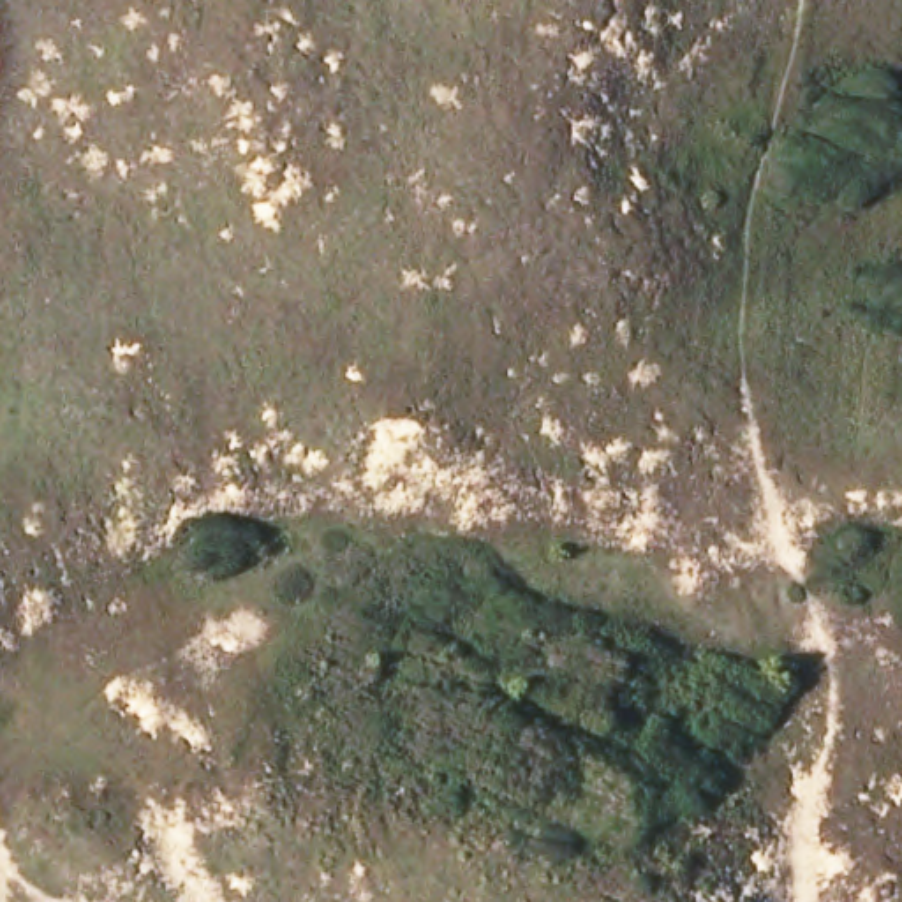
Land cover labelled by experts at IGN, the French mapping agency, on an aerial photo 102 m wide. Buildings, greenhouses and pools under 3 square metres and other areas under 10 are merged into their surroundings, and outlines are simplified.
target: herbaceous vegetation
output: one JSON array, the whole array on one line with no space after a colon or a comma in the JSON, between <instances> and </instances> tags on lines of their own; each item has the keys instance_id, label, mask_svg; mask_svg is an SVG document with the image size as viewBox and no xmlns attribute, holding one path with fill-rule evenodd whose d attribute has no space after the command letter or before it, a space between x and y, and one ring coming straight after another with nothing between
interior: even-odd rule
<instances>
[{"instance_id":1,"label":"herbaceous vegetation","mask_svg":"<svg viewBox=\"0 0 902 902\"><path fill-rule=\"evenodd\" d=\"M610 462L610 490L655 486L659 518L684 521L680 536L687 550L726 546L729 532L750 539L754 529L758 479L743 440L740 381L747 381L754 391L761 447L772 479L786 500L814 500L817 521L846 521L853 514L849 490L902 490L902 335L874 331L860 321L860 314L849 310L853 299L860 299L860 285L846 271L863 268L867 261L902 257L902 190L874 208L860 201L853 211L839 208L839 201L814 201L810 208L782 204L789 176L782 169L786 144L779 137L793 137L800 130L800 102L807 95L803 74L810 67L832 63L835 53L902 67L902 0L729 0L719 11L719 18L729 28L715 35L708 60L694 63L691 70L680 70L680 63L662 67L659 74L666 88L652 88L638 78L638 70L631 70L613 53L585 67L581 85L571 81L574 53L581 49L574 46L571 32L581 28L581 21L588 21L585 0L18 0L11 7L18 32L14 70L21 70L25 78L46 74L49 92L39 102L18 99L11 106L11 120L0 120L0 832L14 867L35 888L60 898L60 867L70 863L81 874L102 874L130 853L144 853L148 839L141 832L144 800L159 800L162 807L183 803L190 824L201 817L201 807L215 800L215 793L236 800L243 796L243 782L261 782L261 789L268 793L268 810L261 817L247 814L240 828L222 828L194 839L194 849L208 877L215 881L218 874L250 877L250 902L772 902L768 895L747 898L743 881L754 870L754 853L768 842L779 842L782 832L782 821L796 800L793 768L810 772L814 754L824 740L828 698L821 687L800 701L793 719L786 719L782 733L768 743L765 754L754 754L747 761L740 789L733 789L719 803L715 814L705 817L705 810L698 807L694 814L677 814L680 828L652 849L638 839L641 821L631 803L631 779L624 772L613 772L599 758L585 758L581 765L585 793L578 803L571 803L567 796L553 796L553 803L546 807L539 800L539 786L553 768L546 729L521 726L514 715L486 712L479 698L479 691L486 687L483 673L458 655L458 648L416 634L398 662L398 673L388 680L377 673L384 627L359 620L345 606L335 606L328 613L324 592L349 585L356 560L363 560L366 546L373 546L377 553L398 553L405 536L416 536L419 529L419 521L409 511L377 511L352 525L342 525L335 511L314 507L278 525L282 553L261 560L257 567L229 581L215 581L208 571L197 571L194 546L180 543L176 536L152 560L141 560L141 553L134 550L116 557L106 539L106 525L116 521L116 479L130 479L144 493L166 490L176 476L197 479L211 469L215 455L226 455L229 433L240 433L240 444L250 451L264 440L261 409L275 409L282 430L289 430L303 447L321 451L324 462L338 451L338 444L356 437L356 430L373 426L381 419L412 419L419 426L437 423L455 451L483 455L483 479L490 483L490 490L504 497L504 504L511 504L507 521L472 525L469 532L490 543L532 588L546 595L634 613L655 627L666 627L687 645L698 634L708 634L715 645L729 645L758 662L779 662L782 655L800 648L807 634L807 599L824 603L828 631L835 638L839 655L842 701L839 740L832 750L824 793L828 814L821 817L817 832L832 853L849 856L849 870L835 874L828 888L817 891L817 902L902 902L902 627L891 613L867 613L863 606L842 606L839 599L832 599L832 578L810 560L803 560L800 581L782 564L775 564L761 560L754 567L719 571L715 578L701 581L691 595L680 595L677 574L669 567L673 553L659 550L652 539L645 550L585 543L585 490L592 490L595 483L585 465L585 451L592 444L603 447L610 440L624 440L627 451L617 462ZM226 120L233 106L211 92L211 78L226 78L240 92L240 99L250 102L250 130L240 130ZM81 99L88 106L81 137L67 137L60 130L60 116L53 109L56 99ZM278 155L278 166L296 166L310 183L299 197L285 201L285 208L278 211L278 229L268 229L254 211L254 194L243 190L243 176L250 162L264 159L264 141L278 141L282 123L289 123L292 134L285 152ZM21 599L35 588L49 595L49 620L25 634ZM180 648L190 638L197 638L208 620L229 620L243 610L264 620L261 641L243 652L222 648L215 684L201 687L197 666L183 662ZM180 712L187 712L187 719L194 719L204 729L204 747L194 747L162 726L141 729L141 719L123 701L106 698L106 684L116 677L152 684L152 701L169 701Z\"/></svg>"}]
</instances>

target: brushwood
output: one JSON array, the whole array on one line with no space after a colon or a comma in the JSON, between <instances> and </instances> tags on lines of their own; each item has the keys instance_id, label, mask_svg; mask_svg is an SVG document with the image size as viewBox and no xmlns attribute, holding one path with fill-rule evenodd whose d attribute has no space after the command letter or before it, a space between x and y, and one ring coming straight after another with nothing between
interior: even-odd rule
<instances>
[{"instance_id":1,"label":"brushwood","mask_svg":"<svg viewBox=\"0 0 902 902\"><path fill-rule=\"evenodd\" d=\"M638 839L652 849L680 828L677 814L694 814L698 807L705 810L705 817L715 814L719 803L733 789L740 789L747 761L754 754L765 754L768 743L782 733L786 719L793 719L800 701L821 687L824 655L800 648L782 655L779 662L758 662L729 645L715 645L708 634L698 634L687 645L666 627L655 627L634 613L546 595L532 588L490 543L469 532L458 529L455 536L430 536L419 529L416 536L405 536L398 553L377 553L373 546L366 546L363 560L356 560L349 585L324 592L328 613L335 606L345 606L359 620L384 627L377 673L388 680L398 673L398 662L416 634L458 648L458 655L483 673L486 687L479 691L479 698L486 712L514 715L521 726L546 729L553 768L539 786L539 800L546 807L553 803L553 796L567 796L571 803L578 803L585 793L581 765L585 758L599 758L613 772L624 772L631 779L631 803L641 821Z\"/></svg>"},{"instance_id":2,"label":"brushwood","mask_svg":"<svg viewBox=\"0 0 902 902\"><path fill-rule=\"evenodd\" d=\"M800 102L800 130L793 137L779 137L786 144L782 169L789 176L782 204L810 208L814 201L839 201L839 208L853 211L860 201L874 208L902 190L902 67L835 53L832 63L810 67L803 74L807 95Z\"/></svg>"},{"instance_id":3,"label":"brushwood","mask_svg":"<svg viewBox=\"0 0 902 902\"><path fill-rule=\"evenodd\" d=\"M250 514L215 511L187 518L176 529L176 536L180 543L194 546L197 571L208 571L215 581L229 581L257 567L261 560L282 553L278 525Z\"/></svg>"},{"instance_id":4,"label":"brushwood","mask_svg":"<svg viewBox=\"0 0 902 902\"><path fill-rule=\"evenodd\" d=\"M902 529L874 525L863 514L853 514L846 521L817 521L814 543L803 553L803 560L810 560L832 578L832 599L839 599L842 606L863 606L867 613L891 613L902 627Z\"/></svg>"},{"instance_id":5,"label":"brushwood","mask_svg":"<svg viewBox=\"0 0 902 902\"><path fill-rule=\"evenodd\" d=\"M860 285L860 299L853 299L849 310L860 314L860 321L874 331L902 335L902 257L867 261L863 268L846 271Z\"/></svg>"}]
</instances>

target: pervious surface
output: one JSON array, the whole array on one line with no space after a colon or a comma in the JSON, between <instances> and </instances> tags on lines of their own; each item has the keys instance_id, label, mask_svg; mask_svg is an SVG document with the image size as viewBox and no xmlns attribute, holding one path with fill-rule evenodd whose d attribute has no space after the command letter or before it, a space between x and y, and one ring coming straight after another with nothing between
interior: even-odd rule
<instances>
[{"instance_id":1,"label":"pervious surface","mask_svg":"<svg viewBox=\"0 0 902 902\"><path fill-rule=\"evenodd\" d=\"M796 800L782 821L782 832L793 839L793 902L817 902L817 891L828 888L835 874L849 870L849 856L832 853L817 832L821 817L828 814L824 793L832 750L839 740L842 701L839 655L835 638L828 631L824 603L807 599L807 634L800 648L824 655L821 687L828 698L824 740L814 754L810 772L793 768Z\"/></svg>"},{"instance_id":2,"label":"pervious surface","mask_svg":"<svg viewBox=\"0 0 902 902\"><path fill-rule=\"evenodd\" d=\"M740 381L743 440L758 479L754 529L772 539L775 564L782 564L800 581L803 560L803 553L793 543L793 518L782 514L786 500L772 479L761 447L754 391L747 381Z\"/></svg>"},{"instance_id":3,"label":"pervious surface","mask_svg":"<svg viewBox=\"0 0 902 902\"><path fill-rule=\"evenodd\" d=\"M35 888L14 867L0 832L0 902L88 902L60 898Z\"/></svg>"},{"instance_id":4,"label":"pervious surface","mask_svg":"<svg viewBox=\"0 0 902 902\"><path fill-rule=\"evenodd\" d=\"M155 839L166 853L166 881L169 888L176 888L180 902L222 902L215 881L208 877L194 849L194 839L190 824L183 803L162 807L159 800L144 800L141 832L148 839Z\"/></svg>"}]
</instances>

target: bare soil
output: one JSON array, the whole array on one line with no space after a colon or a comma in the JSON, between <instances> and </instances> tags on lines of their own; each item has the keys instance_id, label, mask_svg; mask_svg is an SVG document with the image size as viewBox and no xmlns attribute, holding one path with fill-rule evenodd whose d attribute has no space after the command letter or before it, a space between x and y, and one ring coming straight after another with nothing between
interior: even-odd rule
<instances>
[{"instance_id":1,"label":"bare soil","mask_svg":"<svg viewBox=\"0 0 902 902\"><path fill-rule=\"evenodd\" d=\"M39 102L49 92L46 74L25 78L21 70L14 70L18 32L11 7L18 0L0 0L0 120L11 120L11 106L18 99Z\"/></svg>"},{"instance_id":2,"label":"bare soil","mask_svg":"<svg viewBox=\"0 0 902 902\"><path fill-rule=\"evenodd\" d=\"M240 828L247 814L261 817L268 810L268 793L261 789L261 782L243 782L243 796L236 800L215 793L215 800L201 807L201 817L190 824L194 839L222 828Z\"/></svg>"},{"instance_id":3,"label":"bare soil","mask_svg":"<svg viewBox=\"0 0 902 902\"><path fill-rule=\"evenodd\" d=\"M902 529L902 490L849 490L853 514L863 514L874 525Z\"/></svg>"},{"instance_id":4,"label":"bare soil","mask_svg":"<svg viewBox=\"0 0 902 902\"><path fill-rule=\"evenodd\" d=\"M148 839L144 853L130 853L102 874L81 874L70 863L60 867L60 898L88 902L180 902L176 888L169 888L166 881L166 853L155 839Z\"/></svg>"},{"instance_id":5,"label":"bare soil","mask_svg":"<svg viewBox=\"0 0 902 902\"><path fill-rule=\"evenodd\" d=\"M194 747L204 747L204 729L194 719L187 719L187 712L180 712L169 701L152 701L152 684L116 677L106 684L106 698L123 701L141 719L141 729L162 726Z\"/></svg>"},{"instance_id":6,"label":"bare soil","mask_svg":"<svg viewBox=\"0 0 902 902\"><path fill-rule=\"evenodd\" d=\"M278 155L285 152L292 134L289 123L282 123L278 141L264 141L264 159L250 162L243 176L243 190L254 194L254 211L268 229L278 229L278 211L285 208L285 201L299 197L310 183L296 166L278 166Z\"/></svg>"},{"instance_id":7,"label":"bare soil","mask_svg":"<svg viewBox=\"0 0 902 902\"><path fill-rule=\"evenodd\" d=\"M624 440L610 440L603 447L592 444L585 451L585 465L595 483L592 490L585 490L585 543L645 550L652 539L659 550L673 553L669 567L677 574L680 595L691 595L701 581L715 578L719 571L754 567L761 560L775 564L772 539L754 529L750 539L729 532L726 546L687 550L680 536L684 521L659 518L655 486L610 490L610 462L617 462L627 451Z\"/></svg>"},{"instance_id":8,"label":"bare soil","mask_svg":"<svg viewBox=\"0 0 902 902\"><path fill-rule=\"evenodd\" d=\"M222 902L250 902L250 877L218 874L215 881Z\"/></svg>"},{"instance_id":9,"label":"bare soil","mask_svg":"<svg viewBox=\"0 0 902 902\"><path fill-rule=\"evenodd\" d=\"M680 63L680 70L691 70L694 63L708 60L715 35L729 28L719 18L719 11L729 0L585 0L588 21L581 21L581 28L571 32L574 46L581 49L574 53L571 81L581 85L585 67L613 53L631 70L638 70L638 78L652 88L666 88L659 74L662 67Z\"/></svg>"},{"instance_id":10,"label":"bare soil","mask_svg":"<svg viewBox=\"0 0 902 902\"><path fill-rule=\"evenodd\" d=\"M779 842L768 842L754 853L754 870L743 881L747 898L768 895L772 902L793 902L793 839L782 832Z\"/></svg>"},{"instance_id":11,"label":"bare soil","mask_svg":"<svg viewBox=\"0 0 902 902\"><path fill-rule=\"evenodd\" d=\"M60 116L60 130L67 137L81 137L88 106L81 99L56 99L53 109Z\"/></svg>"},{"instance_id":12,"label":"bare soil","mask_svg":"<svg viewBox=\"0 0 902 902\"><path fill-rule=\"evenodd\" d=\"M226 78L211 78L211 92L233 106L226 120L240 130L250 130L250 102L240 99L240 92Z\"/></svg>"},{"instance_id":13,"label":"bare soil","mask_svg":"<svg viewBox=\"0 0 902 902\"><path fill-rule=\"evenodd\" d=\"M455 536L458 529L469 532L472 525L507 521L511 504L504 504L504 497L490 490L490 483L483 479L483 455L455 451L437 423L419 426L412 419L381 419L373 426L356 430L356 437L338 444L338 451L324 462L321 451L303 447L289 430L282 430L275 409L261 409L264 440L250 451L240 444L240 433L229 433L226 455L215 455L211 469L197 479L176 476L166 490L144 493L130 479L116 479L116 521L106 525L106 539L116 557L134 550L141 553L141 560L152 560L176 536L176 529L187 518L215 511L250 514L278 525L314 507L335 511L342 525L352 525L377 511L409 511L419 521L419 529L430 536Z\"/></svg>"},{"instance_id":14,"label":"bare soil","mask_svg":"<svg viewBox=\"0 0 902 902\"><path fill-rule=\"evenodd\" d=\"M814 500L786 500L782 514L793 518L793 543L803 553L814 543L817 521Z\"/></svg>"},{"instance_id":15,"label":"bare soil","mask_svg":"<svg viewBox=\"0 0 902 902\"><path fill-rule=\"evenodd\" d=\"M25 634L49 620L49 595L35 588L21 599Z\"/></svg>"},{"instance_id":16,"label":"bare soil","mask_svg":"<svg viewBox=\"0 0 902 902\"><path fill-rule=\"evenodd\" d=\"M197 638L190 638L180 648L183 662L197 666L201 687L215 684L222 648L243 652L261 641L264 620L243 610L229 620L208 620Z\"/></svg>"}]
</instances>

